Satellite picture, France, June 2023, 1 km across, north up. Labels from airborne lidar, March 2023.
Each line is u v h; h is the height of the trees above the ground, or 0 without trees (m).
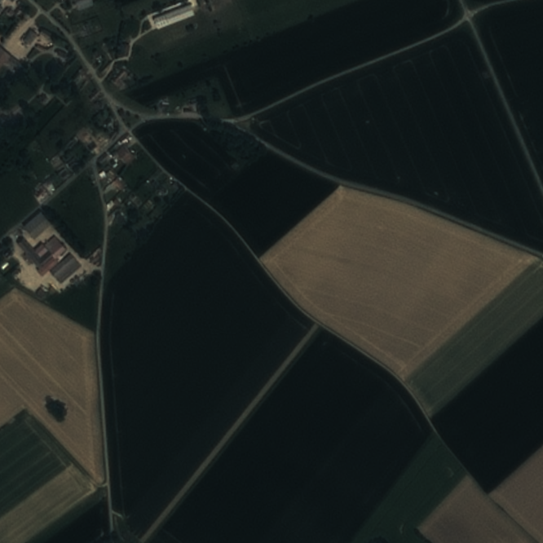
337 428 0
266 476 0
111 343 0
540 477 0
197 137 0
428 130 0
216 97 12
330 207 0
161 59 0
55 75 27
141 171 0
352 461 0
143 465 0
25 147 0
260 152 15
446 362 0
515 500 0
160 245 0
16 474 0
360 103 0
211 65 0
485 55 0
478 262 0
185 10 0
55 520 0
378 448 0
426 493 0
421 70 0
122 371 0
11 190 0
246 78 0
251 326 0
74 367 0
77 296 0
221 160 0
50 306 0
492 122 0
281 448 0
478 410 0
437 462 0
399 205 0
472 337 0
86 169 0
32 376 0
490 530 0
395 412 0
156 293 0
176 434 0
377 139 0
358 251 0
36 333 0
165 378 0
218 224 0
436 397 0
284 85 0
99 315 0
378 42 0
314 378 0
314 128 0
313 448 0
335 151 0
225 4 0
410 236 0
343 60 0
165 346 0
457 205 0
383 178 0
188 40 0
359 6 0
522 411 0
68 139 0
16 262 0
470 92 0
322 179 0
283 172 0
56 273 0
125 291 0
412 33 0
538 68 0
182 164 0
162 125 0
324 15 0
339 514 0
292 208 0
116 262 0
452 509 0
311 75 0
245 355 0
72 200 0
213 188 0
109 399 0
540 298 0
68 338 0
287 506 0
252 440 0
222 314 0
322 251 0
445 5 0
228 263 0
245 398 0
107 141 0
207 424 0
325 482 0
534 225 0
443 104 0
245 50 0
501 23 0
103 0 0
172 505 0
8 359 0
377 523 0
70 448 0
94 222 0
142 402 0
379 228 0
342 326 0
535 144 0
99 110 6
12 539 0
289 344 0
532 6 0
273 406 0
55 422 0
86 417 0
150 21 0
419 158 0
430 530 0
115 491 0
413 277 0
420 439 0
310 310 0
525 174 0
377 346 0
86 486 0
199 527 0
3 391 0
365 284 0
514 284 0
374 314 0
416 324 0
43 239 0
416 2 0
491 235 0
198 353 0
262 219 0
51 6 0
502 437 0
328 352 0
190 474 0
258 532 0
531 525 0
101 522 0
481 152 0
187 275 0
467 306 0
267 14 0
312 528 0
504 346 0
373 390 0
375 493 0
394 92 0
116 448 0
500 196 0
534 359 0
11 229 0
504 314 0
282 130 0
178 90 0
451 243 0
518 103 0
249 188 0
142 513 0
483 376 0
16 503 0
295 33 0
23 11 7
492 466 0
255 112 0
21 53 0
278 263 0
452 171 0
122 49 0
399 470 0
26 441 0
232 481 0
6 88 30
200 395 0
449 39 0
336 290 0
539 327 0
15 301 0
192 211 0
